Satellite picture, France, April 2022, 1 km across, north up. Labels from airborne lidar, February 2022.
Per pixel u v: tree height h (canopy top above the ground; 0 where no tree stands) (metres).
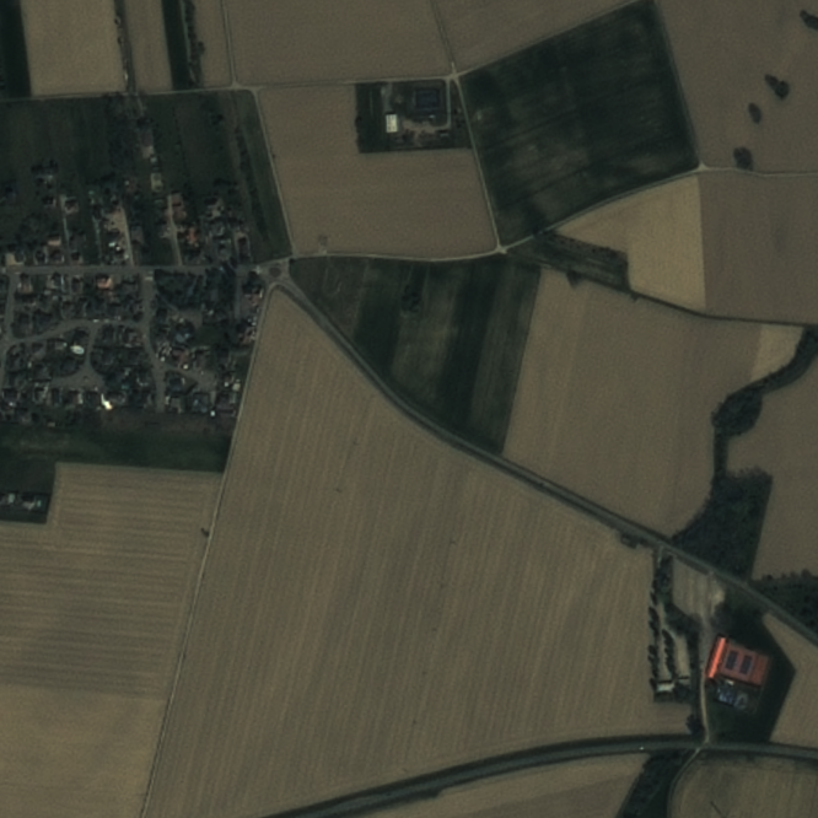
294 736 0
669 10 0
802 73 0
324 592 0
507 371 0
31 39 0
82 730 0
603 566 0
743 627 0
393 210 0
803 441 0
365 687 0
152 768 0
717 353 0
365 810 0
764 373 0
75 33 0
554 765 0
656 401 0
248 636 0
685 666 0
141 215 15
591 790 0
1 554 0
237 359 0
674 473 0
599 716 0
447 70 0
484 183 0
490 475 0
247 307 0
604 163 0
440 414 0
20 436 0
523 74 0
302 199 0
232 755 0
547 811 0
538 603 0
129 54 0
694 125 0
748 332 0
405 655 0
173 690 0
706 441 0
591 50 0
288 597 0
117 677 0
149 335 0
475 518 0
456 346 0
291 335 0
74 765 0
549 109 0
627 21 0
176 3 0
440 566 0
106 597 0
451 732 0
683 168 0
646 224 0
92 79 0
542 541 0
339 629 0
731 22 0
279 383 0
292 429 0
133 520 0
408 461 0
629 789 0
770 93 0
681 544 15
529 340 0
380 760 0
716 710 0
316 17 0
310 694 0
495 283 0
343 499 0
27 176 0
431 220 0
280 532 0
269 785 0
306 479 0
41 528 0
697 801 0
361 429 0
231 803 0
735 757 0
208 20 0
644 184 0
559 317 0
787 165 0
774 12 0
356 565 0
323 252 0
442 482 0
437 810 0
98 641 0
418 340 0
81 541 0
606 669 0
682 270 0
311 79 0
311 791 0
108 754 0
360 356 0
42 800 0
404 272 0
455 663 0
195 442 0
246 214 0
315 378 0
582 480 0
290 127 0
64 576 0
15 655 0
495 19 0
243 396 0
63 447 0
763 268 0
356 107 0
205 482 0
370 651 0
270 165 0
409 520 0
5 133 0
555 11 0
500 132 0
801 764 0
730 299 0
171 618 0
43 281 0
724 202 0
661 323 0
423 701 0
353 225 0
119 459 0
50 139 0
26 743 0
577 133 0
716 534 21
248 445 0
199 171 0
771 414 0
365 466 0
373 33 0
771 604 0
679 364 0
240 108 0
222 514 0
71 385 0
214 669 0
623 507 0
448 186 0
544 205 0
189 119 0
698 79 0
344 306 0
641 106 0
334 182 0
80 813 0
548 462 0
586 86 0
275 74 0
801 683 0
